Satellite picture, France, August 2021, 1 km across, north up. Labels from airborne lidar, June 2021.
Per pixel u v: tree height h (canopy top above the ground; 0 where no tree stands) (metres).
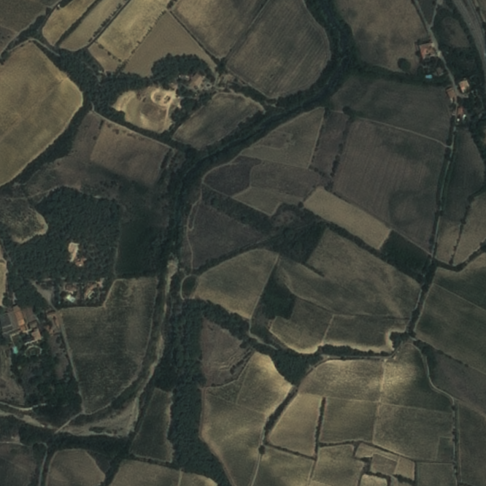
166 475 0
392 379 0
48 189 0
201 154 7
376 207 0
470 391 0
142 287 0
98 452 12
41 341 7
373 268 0
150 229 7
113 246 5
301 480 0
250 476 0
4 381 0
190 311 13
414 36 0
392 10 0
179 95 9
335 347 10
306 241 6
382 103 0
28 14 0
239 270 0
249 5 0
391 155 0
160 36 0
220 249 0
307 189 0
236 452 0
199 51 0
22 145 0
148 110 0
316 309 0
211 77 12
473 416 0
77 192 6
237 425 0
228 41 0
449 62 8
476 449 0
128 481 0
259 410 0
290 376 14
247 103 0
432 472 0
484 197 0
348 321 0
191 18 0
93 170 0
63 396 14
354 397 0
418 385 0
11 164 0
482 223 0
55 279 12
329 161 0
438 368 0
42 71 0
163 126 0
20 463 0
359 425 0
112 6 0
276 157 0
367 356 8
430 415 0
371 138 0
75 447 10
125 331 0
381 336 0
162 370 7
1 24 0
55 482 0
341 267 0
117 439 6
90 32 0
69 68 13
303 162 0
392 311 0
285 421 0
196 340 12
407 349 0
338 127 0
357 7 0
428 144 0
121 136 0
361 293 0
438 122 0
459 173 0
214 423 0
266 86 0
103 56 0
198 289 0
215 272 0
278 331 0
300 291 0
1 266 0
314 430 0
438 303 0
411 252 6
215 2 0
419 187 0
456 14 10
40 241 11
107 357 0
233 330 6
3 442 0
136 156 0
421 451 0
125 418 0
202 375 14
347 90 0
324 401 6
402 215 0
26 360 8
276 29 0
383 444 0
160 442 0
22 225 0
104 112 8
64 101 0
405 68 14
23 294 16
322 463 0
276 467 0
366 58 0
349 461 0
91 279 15
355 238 10
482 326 0
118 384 0
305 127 0
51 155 8
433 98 0
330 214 0
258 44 0
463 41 0
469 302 0
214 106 0
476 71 7
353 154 0
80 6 0
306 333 0
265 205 0
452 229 0
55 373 10
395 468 0
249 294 0
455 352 0
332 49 7
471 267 0
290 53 0
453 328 0
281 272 0
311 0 7
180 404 16
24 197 0
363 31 0
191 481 0
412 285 0
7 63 0
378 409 0
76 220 11
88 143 0
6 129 0
